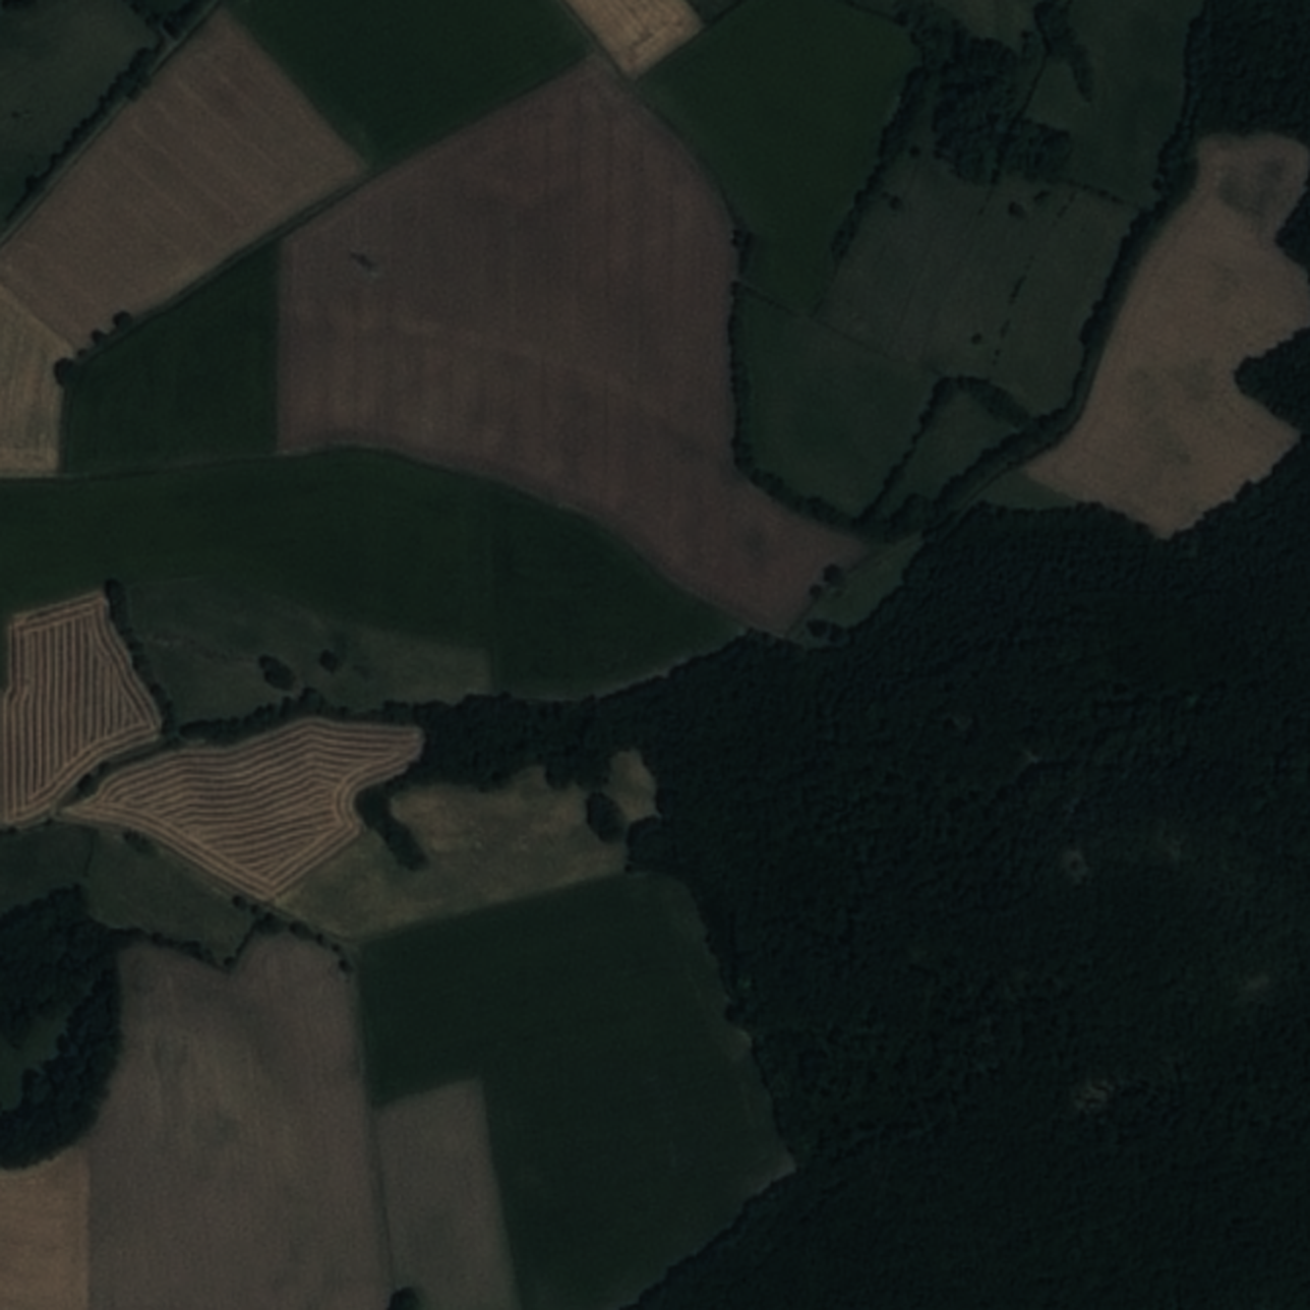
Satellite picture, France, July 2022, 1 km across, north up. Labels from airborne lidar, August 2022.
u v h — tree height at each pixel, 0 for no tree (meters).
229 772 0
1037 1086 13
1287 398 13
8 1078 0
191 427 0
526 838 0
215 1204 0
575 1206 0
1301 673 17
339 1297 0
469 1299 0
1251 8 11
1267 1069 20
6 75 0
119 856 0
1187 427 0
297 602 0
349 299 0
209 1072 0
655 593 0
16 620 0
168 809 0
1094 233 0
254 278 0
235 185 0
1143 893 13
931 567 10
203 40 0
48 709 0
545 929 0
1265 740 21
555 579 0
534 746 15
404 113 0
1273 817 22
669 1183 0
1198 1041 12
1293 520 15
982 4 0
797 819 21
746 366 7
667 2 0
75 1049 18
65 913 20
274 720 10
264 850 0
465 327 0
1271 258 0
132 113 0
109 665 0
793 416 0
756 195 0
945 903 18
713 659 10
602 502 0
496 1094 0
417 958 0
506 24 0
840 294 0
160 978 0
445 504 0
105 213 0
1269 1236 18
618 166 0
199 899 0
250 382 0
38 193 12
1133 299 0
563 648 0
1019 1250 17
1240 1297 21
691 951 0
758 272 0
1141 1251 14
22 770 0
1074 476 0
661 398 0
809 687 13
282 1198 0
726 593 0
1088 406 0
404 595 0
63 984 30
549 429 0
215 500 0
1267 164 0
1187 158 15
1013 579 13
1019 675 21
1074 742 17
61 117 0
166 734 11
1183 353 0
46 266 0
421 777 12
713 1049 0
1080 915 13
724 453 0
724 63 0
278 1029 0
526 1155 0
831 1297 14
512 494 0
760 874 15
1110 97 0
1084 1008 15
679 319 0
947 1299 19
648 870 14
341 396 0
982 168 18
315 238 0
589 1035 0
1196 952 13
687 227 0
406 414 0
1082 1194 14
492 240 0
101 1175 0
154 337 0
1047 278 0
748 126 0
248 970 0
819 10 0
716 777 16
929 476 0
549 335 0
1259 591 16
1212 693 16
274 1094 0
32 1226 0
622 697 10
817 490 0
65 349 0
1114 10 0
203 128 0
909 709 21
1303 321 0
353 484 0
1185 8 0
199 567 0
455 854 0
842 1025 18
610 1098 0
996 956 18
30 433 0
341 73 0
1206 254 0
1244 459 0
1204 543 14
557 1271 0
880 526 11
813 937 21
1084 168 0
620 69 0
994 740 19
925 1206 18
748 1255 16
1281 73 12
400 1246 0
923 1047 8
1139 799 9
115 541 0
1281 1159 19
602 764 9
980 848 9
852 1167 17
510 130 0
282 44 0
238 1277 0
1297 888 13
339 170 0
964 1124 16
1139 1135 19
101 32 0
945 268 0
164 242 0
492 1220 0
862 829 13
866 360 0
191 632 0
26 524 0
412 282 0
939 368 0
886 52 0
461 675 0
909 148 10
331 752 0
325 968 0
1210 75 22
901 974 18
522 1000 0
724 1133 0
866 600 0
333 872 0
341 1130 0
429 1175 0
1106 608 8
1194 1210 19
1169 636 11
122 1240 0
